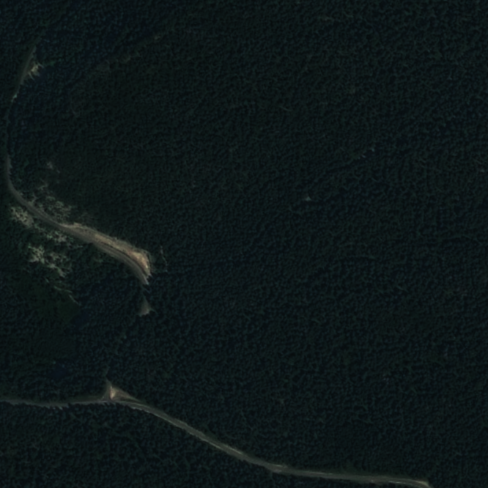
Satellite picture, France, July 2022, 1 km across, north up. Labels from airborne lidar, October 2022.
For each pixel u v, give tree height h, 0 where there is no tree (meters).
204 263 26
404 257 27
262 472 23
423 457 26
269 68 17
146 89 9
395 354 28
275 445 26
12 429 25
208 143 23
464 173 21
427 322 23
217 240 24
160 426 15
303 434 33
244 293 26
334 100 16
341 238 22
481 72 27
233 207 20
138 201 15
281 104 22
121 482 18
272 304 32
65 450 10
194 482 18
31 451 23
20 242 15
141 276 0
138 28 31
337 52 23
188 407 32
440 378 23
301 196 28
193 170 15
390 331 28
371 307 22
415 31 23
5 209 11
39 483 27
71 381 15
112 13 23
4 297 31
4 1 26
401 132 25
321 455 22
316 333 25
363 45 26
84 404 0
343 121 18
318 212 9
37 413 20
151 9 36
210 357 24
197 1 30
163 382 29
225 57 28
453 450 20
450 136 28
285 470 0
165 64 14
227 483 34
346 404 23
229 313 33
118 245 0
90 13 27
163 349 25
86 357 20
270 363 32
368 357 29
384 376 26
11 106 9
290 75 26
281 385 29
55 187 8
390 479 0
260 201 15
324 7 19
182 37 14
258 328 35
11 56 32
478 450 21
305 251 22
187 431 15
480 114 30
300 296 35
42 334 14
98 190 10
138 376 31
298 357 29
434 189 28
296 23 12
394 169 30
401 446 26
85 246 13
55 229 8
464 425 14
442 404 18
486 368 18
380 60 17
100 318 16
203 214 15
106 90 11
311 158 20
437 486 21
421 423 19
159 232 15
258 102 26
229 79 15
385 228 17
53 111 23
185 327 22
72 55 31
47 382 15
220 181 25
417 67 20
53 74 22
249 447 19
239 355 31
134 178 14
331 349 28
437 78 21
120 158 11
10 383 25
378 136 21
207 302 26
